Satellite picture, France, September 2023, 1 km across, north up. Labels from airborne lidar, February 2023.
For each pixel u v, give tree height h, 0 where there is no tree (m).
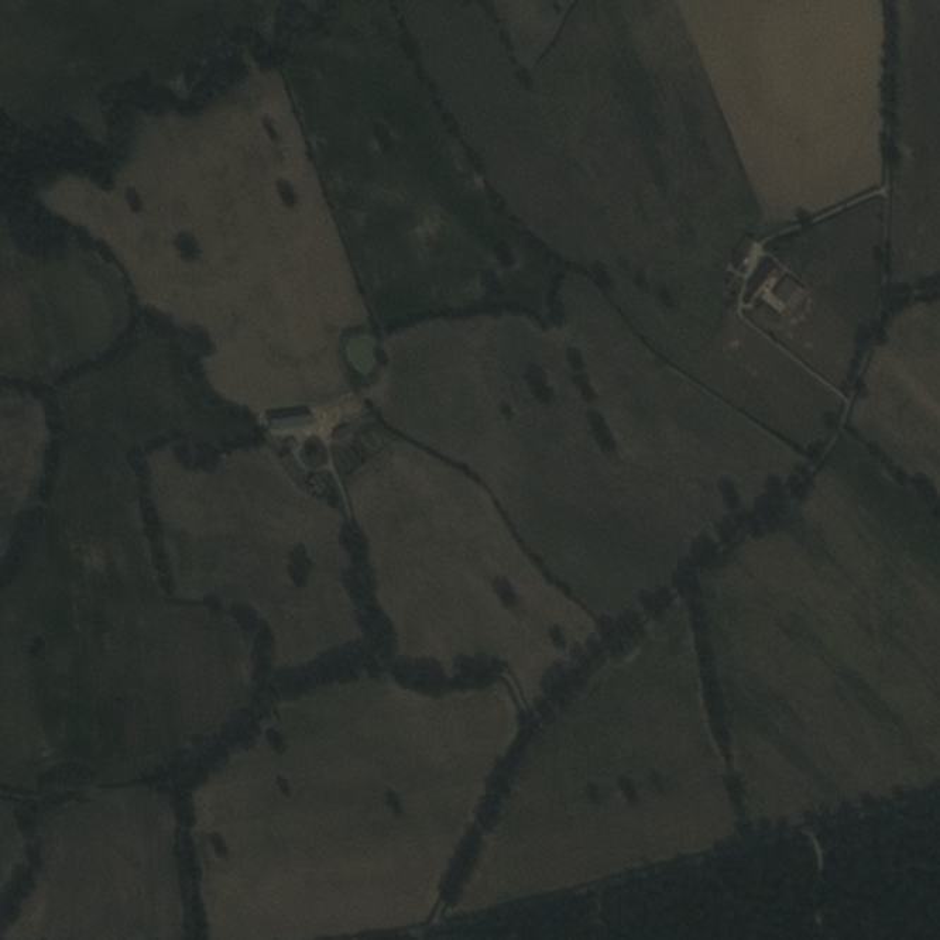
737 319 0
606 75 0
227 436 0
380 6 0
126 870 0
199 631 0
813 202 0
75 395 0
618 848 0
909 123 0
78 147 18
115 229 0
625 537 0
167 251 0
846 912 27
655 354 0
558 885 0
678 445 0
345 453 0
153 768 0
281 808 0
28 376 0
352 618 0
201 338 17
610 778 0
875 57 0
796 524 0
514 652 0
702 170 0
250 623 19
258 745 0
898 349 0
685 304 0
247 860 0
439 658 0
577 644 0
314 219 0
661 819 0
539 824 0
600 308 0
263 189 0
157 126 0
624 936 33
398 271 0
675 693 0
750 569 0
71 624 0
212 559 0
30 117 0
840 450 0
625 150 0
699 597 13
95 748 0
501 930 25
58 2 0
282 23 11
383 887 0
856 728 0
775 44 0
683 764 0
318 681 11
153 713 0
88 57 0
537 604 0
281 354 0
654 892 20
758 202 0
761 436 0
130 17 0
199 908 13
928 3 0
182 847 9
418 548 0
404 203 0
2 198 10
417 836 0
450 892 16
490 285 17
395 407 0
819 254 0
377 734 0
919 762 0
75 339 0
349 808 0
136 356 0
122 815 0
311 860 0
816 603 0
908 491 0
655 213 0
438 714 0
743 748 0
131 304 12
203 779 13
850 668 0
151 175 0
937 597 0
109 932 0
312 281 0
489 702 0
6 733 0
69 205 0
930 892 31
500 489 0
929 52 0
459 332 0
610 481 0
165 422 0
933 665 0
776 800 0
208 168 0
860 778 0
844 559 0
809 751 0
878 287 0
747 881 31
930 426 0
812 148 0
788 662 0
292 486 0
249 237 0
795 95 0
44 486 7
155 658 0
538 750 0
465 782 0
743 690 0
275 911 0
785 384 0
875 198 0
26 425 0
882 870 30
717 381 0
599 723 0
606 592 0
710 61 0
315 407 0
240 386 0
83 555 0
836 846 26
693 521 0
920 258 0
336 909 0
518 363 0
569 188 0
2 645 0
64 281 0
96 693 0
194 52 0
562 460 0
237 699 0
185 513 0
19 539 12
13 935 0
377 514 0
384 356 10
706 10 0
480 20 0
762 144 0
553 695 21
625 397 0
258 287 0
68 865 0
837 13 0
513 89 0
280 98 0
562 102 0
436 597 0
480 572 0
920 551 0
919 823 27
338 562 0
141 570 0
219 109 0
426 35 0
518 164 0
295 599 0
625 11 0
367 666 18
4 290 0
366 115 0
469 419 0
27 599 0
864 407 0
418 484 0
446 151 0
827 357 0
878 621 0
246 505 0
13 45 0
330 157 0
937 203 0
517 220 7
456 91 0
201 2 0
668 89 0
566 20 0
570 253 0
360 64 0
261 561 0
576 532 0
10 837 0
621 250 0
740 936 30
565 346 0
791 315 0
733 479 0
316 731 0
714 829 0
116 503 0
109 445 0
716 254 0
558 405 0
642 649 0
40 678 0
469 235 0
